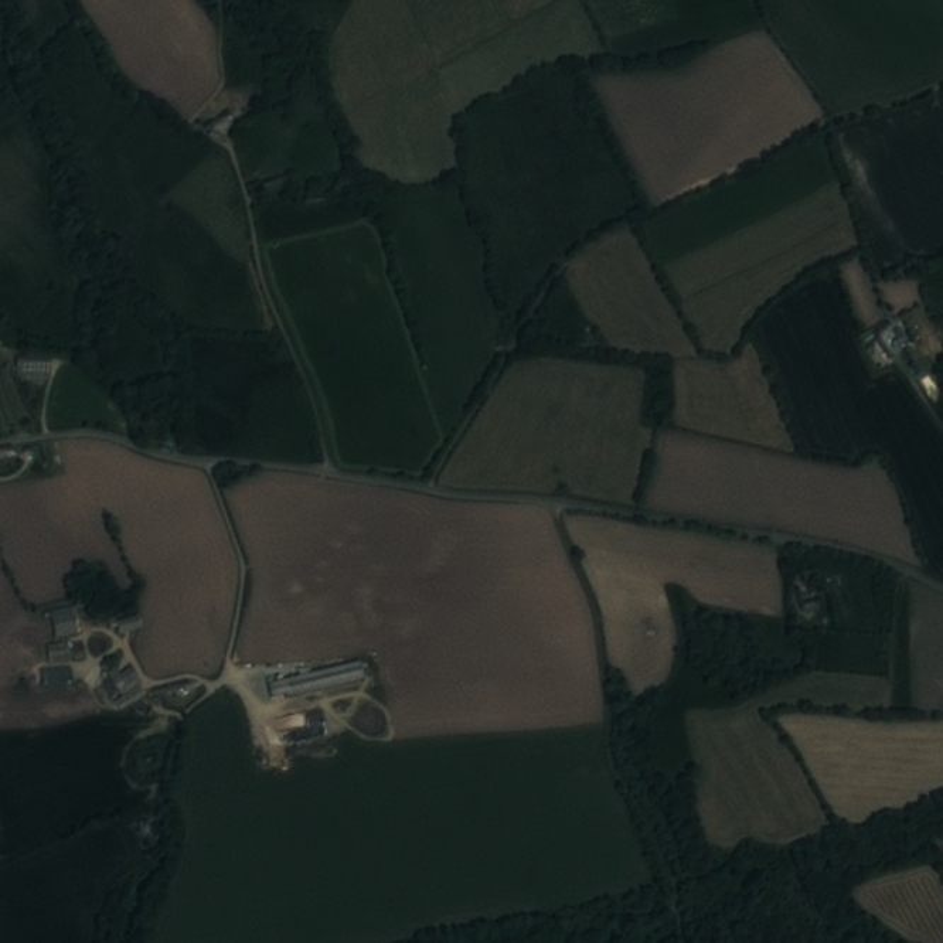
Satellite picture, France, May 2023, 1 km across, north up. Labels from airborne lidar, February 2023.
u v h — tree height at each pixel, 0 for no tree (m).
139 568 0
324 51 8
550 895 0
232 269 0
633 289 0
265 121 0
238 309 0
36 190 0
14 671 0
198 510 0
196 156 0
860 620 0
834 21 0
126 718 0
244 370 0
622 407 0
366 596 0
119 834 0
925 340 0
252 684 0
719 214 0
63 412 0
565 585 0
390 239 15
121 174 0
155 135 0
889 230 0
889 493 0
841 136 0
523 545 0
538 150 0
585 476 0
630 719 19
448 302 0
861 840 23
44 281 0
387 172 0
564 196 0
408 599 0
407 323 8
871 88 0
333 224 0
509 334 0
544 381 0
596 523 0
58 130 8
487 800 0
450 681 0
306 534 0
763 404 0
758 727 0
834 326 0
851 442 0
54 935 0
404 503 0
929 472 0
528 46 0
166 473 0
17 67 16
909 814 15
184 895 0
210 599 0
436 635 0
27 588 0
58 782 0
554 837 0
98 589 10
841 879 21
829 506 0
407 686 0
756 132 0
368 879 0
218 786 0
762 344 0
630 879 0
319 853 0
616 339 0
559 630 0
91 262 21
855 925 17
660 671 0
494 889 0
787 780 0
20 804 0
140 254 0
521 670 0
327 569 0
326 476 0
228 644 0
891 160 0
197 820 0
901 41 0
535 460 0
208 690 0
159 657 0
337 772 0
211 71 0
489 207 0
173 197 0
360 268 0
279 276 0
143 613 0
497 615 0
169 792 20
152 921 11
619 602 0
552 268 8
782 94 0
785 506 0
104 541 0
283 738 0
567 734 0
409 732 0
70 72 0
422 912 0
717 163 0
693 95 0
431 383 0
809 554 7
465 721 0
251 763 0
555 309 0
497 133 0
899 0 0
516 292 0
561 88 0
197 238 0
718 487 0
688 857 23
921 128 0
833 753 0
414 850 0
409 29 0
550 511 0
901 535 0
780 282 0
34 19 0
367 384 0
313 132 0
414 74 0
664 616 0
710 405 0
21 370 0
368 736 0
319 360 0
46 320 0
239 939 0
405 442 0
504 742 0
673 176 0
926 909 0
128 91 12
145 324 13
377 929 0
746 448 0
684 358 0
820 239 0
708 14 0
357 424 0
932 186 0
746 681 8
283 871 0
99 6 0
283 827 0
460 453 0
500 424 0
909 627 0
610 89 0
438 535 0
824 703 0
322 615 0
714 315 0
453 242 0
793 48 0
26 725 0
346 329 0
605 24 0
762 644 0
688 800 15
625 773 10
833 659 0
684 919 14
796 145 12
